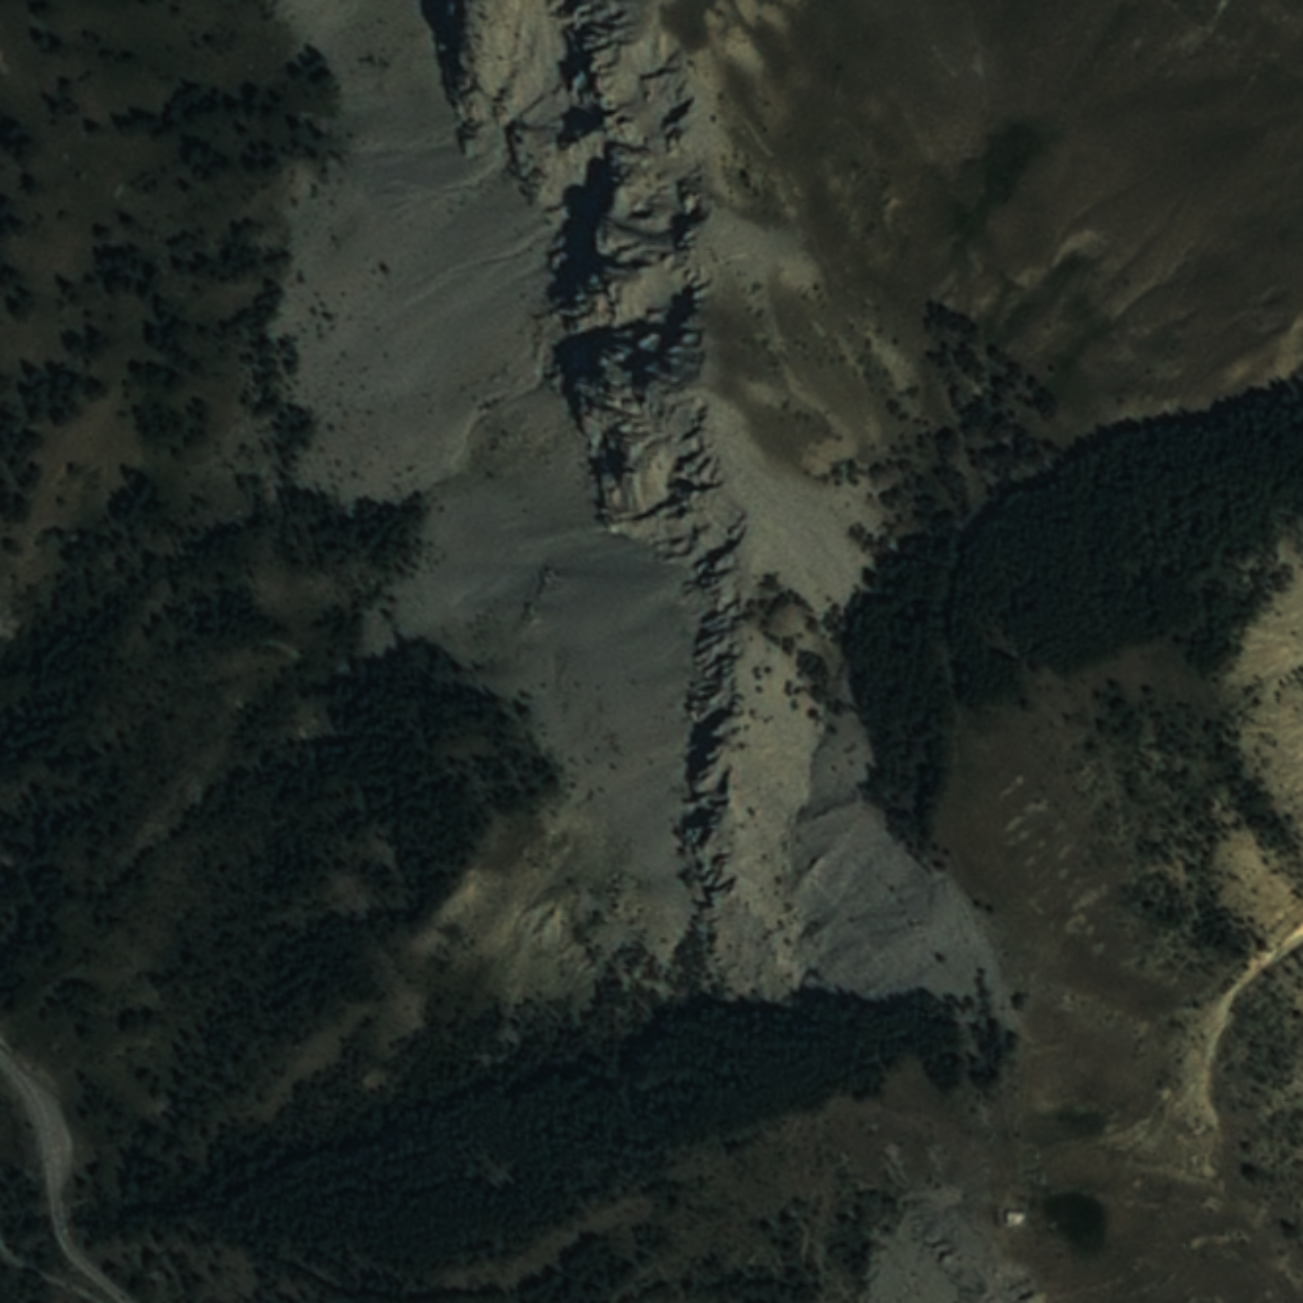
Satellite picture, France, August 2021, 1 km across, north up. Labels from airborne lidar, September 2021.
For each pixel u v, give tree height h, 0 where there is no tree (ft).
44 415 63
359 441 0
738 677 0
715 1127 47
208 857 34
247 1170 96
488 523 0
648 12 0
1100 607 55
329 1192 99
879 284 0
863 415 0
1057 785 0
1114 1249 0
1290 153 0
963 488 41
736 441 0
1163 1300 0
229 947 33
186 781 0
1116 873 0
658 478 0
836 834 0
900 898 0
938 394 0
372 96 0
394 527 35
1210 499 77
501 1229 59
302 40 0
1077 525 73
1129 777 22
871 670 66
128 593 19
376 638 0
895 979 0
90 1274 0
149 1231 38
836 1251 20
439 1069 26
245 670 0
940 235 0
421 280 0
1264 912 0
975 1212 0
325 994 36
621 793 0
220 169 45
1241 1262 0
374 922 35
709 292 0
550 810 0
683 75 0
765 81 0
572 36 0
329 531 55
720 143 0
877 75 0
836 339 0
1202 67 0
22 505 51
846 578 0
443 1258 48
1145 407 0
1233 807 19
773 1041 51
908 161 0
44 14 55
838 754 0
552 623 0
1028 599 51
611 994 32
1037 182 0
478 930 0
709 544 0
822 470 0
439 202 0
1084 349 0
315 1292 53
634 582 0
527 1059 45
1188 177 0
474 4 0
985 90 0
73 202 0
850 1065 40
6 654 19
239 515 0
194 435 36
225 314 0
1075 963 0
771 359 0
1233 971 0
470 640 0
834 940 0
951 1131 0
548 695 0
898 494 49
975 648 84
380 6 0
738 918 0
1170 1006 0
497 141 0
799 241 0
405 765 52
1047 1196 0
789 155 0
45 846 64
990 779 0
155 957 0
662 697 0
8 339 0
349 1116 39
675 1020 58
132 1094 0
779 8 0
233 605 47
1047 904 0
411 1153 70
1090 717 0
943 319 47
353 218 0
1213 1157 0
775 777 0
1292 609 0
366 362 0
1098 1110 0
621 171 0
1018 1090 0
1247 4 0
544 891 0
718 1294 41
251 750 37
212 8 0
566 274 0
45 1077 0
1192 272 0
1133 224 0
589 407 0
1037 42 0
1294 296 0
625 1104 60
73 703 24
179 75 0
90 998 64
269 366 29
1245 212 0
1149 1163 0
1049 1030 0
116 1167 0
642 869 0
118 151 0
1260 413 77
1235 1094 0
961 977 0
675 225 0
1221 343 0
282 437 53
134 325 0
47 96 0
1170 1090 0
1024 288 0
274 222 0
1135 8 0
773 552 0
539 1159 59
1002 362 31
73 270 0
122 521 63
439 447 0
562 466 0
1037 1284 0
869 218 0
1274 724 0
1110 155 0
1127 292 0
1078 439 0
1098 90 0
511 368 0
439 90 0
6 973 77
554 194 0
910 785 53
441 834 35
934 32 0
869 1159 0
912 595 91
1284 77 0
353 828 30
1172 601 87
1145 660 0
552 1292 49
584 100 0
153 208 0
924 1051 50
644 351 0
